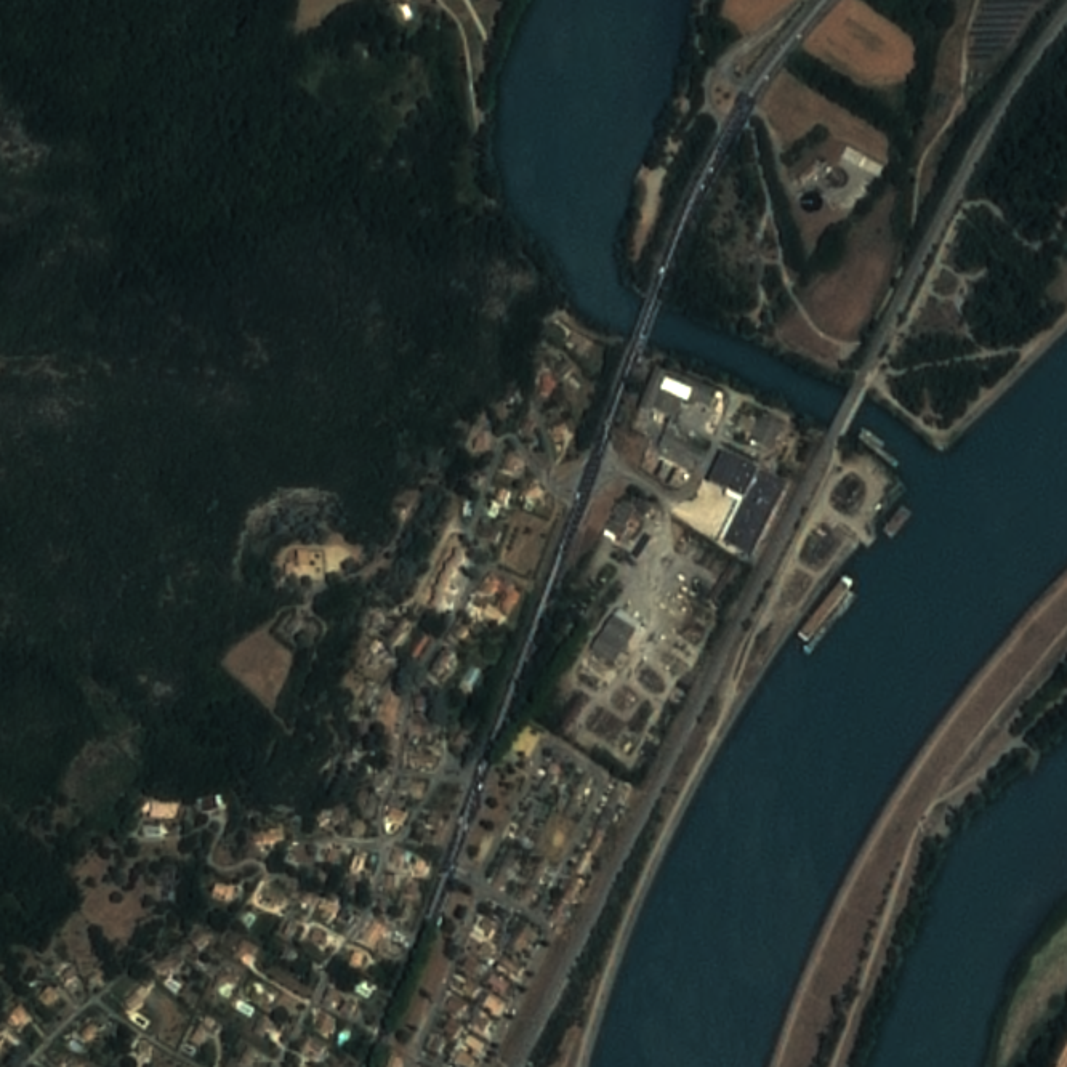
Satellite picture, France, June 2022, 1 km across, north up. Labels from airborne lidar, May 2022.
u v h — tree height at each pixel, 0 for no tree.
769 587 7
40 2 9
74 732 8
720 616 10
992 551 0
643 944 0
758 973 0
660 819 6
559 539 0
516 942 0
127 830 10
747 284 7
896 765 0
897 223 12
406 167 14
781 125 0
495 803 15
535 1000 0
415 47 21
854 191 0
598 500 0
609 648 0
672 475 0
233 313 7
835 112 0
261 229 13
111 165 17
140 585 7
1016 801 0
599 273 0
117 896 9
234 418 5
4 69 11
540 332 15
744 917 0
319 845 0
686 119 7
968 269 12
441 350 9
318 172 17
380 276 11
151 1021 0
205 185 15
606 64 0
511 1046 0
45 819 10
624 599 0
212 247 17
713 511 0
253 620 6
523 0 21
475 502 10
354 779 19
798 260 12
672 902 0
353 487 6
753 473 0
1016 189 23
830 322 0
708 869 0
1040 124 13
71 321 6
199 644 7
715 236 10
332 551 0
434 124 18
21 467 6
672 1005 0
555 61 0
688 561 0
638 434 0
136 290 10
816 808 0
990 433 0
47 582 6
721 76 0
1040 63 7
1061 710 17
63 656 7
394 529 11
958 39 0
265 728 12
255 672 0
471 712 14
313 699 11
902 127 6
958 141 10
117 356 5
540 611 0
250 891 11
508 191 0
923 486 0
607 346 8
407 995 18
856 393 0
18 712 6
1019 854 0
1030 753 12
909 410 7
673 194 13
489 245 13
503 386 7
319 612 12
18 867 15
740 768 0
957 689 0
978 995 0
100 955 12
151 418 7
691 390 0
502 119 0
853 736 0
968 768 0
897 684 0
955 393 9
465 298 13
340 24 19
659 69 0
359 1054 11
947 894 0
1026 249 11
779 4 0
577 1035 0
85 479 6
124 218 14
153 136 13
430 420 12
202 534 7
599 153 0
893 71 0
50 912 14
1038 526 0
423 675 18
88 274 9
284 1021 11
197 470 7
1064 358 0
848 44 0
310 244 7
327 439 8
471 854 12
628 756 0
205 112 15
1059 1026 20
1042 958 0
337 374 6
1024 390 0
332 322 8
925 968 0
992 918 0
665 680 0
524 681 14
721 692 0
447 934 12
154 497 7
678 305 9
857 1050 11
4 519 8
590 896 0
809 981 0
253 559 6
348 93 0
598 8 0
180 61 15
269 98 19
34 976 11
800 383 0
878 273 0
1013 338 14
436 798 0
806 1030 0
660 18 0
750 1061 0
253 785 7
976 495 0
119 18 15
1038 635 0
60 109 15
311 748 11
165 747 13
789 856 0
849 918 0
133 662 7
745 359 0
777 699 0
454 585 0
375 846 0
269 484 7
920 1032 0
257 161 15
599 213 0
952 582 0
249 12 19
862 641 0
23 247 6
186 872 16
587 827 0
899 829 0
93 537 6
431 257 9
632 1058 0
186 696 8
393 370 10
